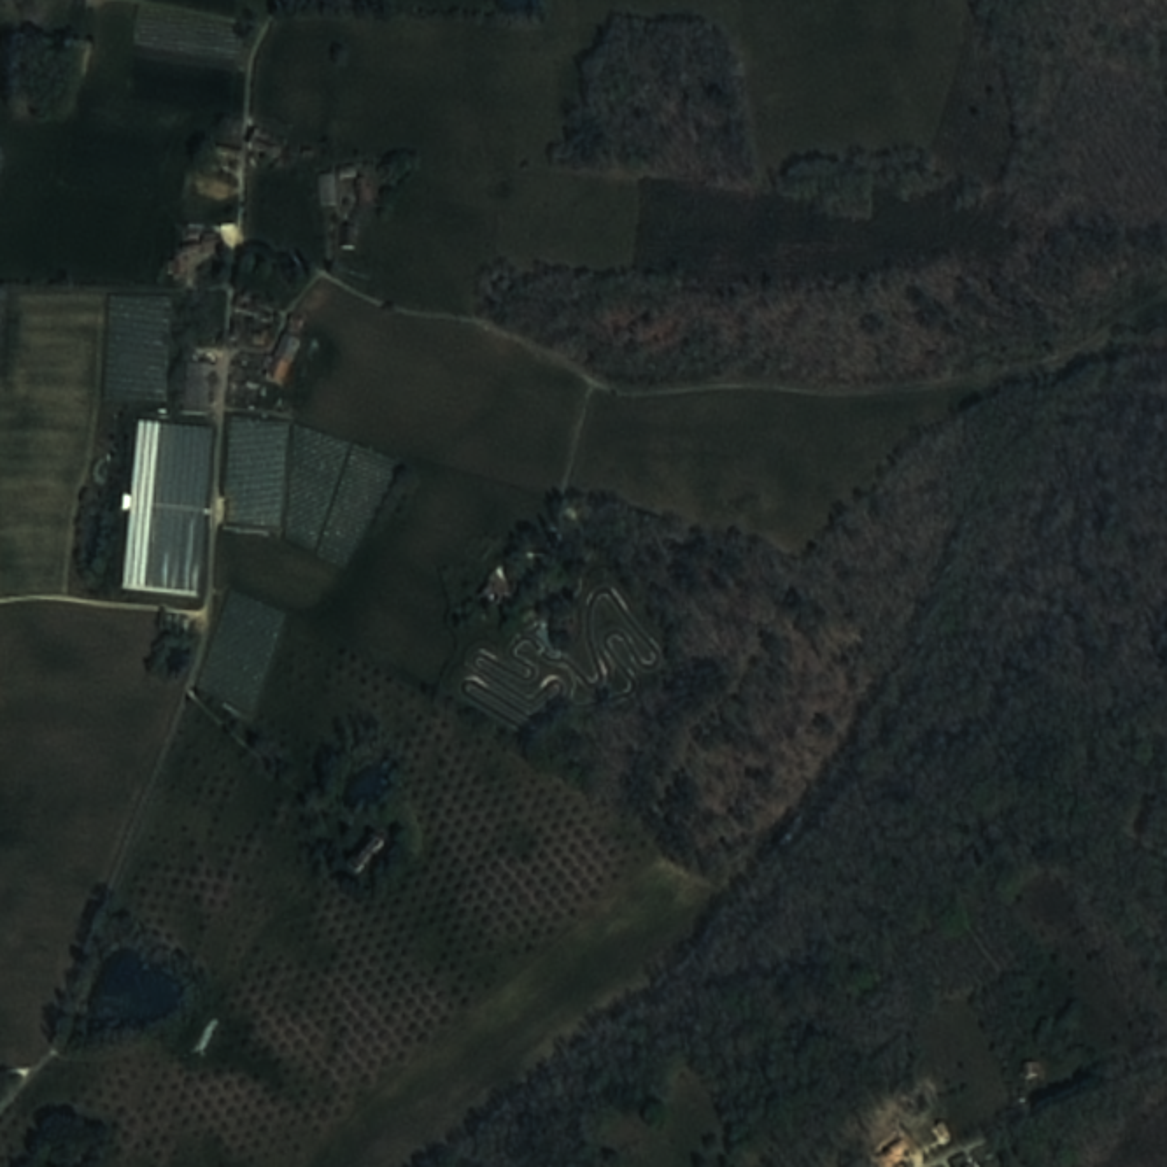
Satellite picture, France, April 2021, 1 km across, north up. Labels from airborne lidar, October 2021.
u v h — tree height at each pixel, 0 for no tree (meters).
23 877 0
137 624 0
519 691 0
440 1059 0
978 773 28
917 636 22
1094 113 16
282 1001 10
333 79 0
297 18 14
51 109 26
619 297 13
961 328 18
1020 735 32
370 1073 7
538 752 25
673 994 22
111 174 0
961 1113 0
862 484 0
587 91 14
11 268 0
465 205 0
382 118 0
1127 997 8
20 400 0
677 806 22
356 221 10
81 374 0
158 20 0
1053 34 21
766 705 12
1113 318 13
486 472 0
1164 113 18
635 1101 24
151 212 0
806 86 0
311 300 0
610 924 0
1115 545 21
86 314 0
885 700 26
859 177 18
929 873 27
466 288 0
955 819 29
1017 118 13
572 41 0
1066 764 32
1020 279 15
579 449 0
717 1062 24
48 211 0
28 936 0
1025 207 12
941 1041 0
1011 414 26
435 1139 0
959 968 13
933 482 24
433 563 0
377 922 7
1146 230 12
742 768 20
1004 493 23
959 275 21
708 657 19
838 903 26
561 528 17
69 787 0
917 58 0
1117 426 17
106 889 0
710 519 0
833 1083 20
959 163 0
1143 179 17
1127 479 19
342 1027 8
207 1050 0
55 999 0
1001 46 19
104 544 12
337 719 0
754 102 0
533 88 0
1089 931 11
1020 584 10
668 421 0
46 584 0
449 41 0
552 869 11
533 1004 0
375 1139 0
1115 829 27
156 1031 8
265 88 0
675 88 16
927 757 19
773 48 0
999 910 12
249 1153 7
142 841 0
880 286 17
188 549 0
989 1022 10
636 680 0
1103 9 21
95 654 0
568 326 17
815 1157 19
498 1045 0
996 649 22
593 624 0
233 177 7
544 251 0
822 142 0
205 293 7
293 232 0
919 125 0
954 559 21
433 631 0
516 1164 20
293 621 0
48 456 0
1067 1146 22
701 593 20
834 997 26
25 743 0
